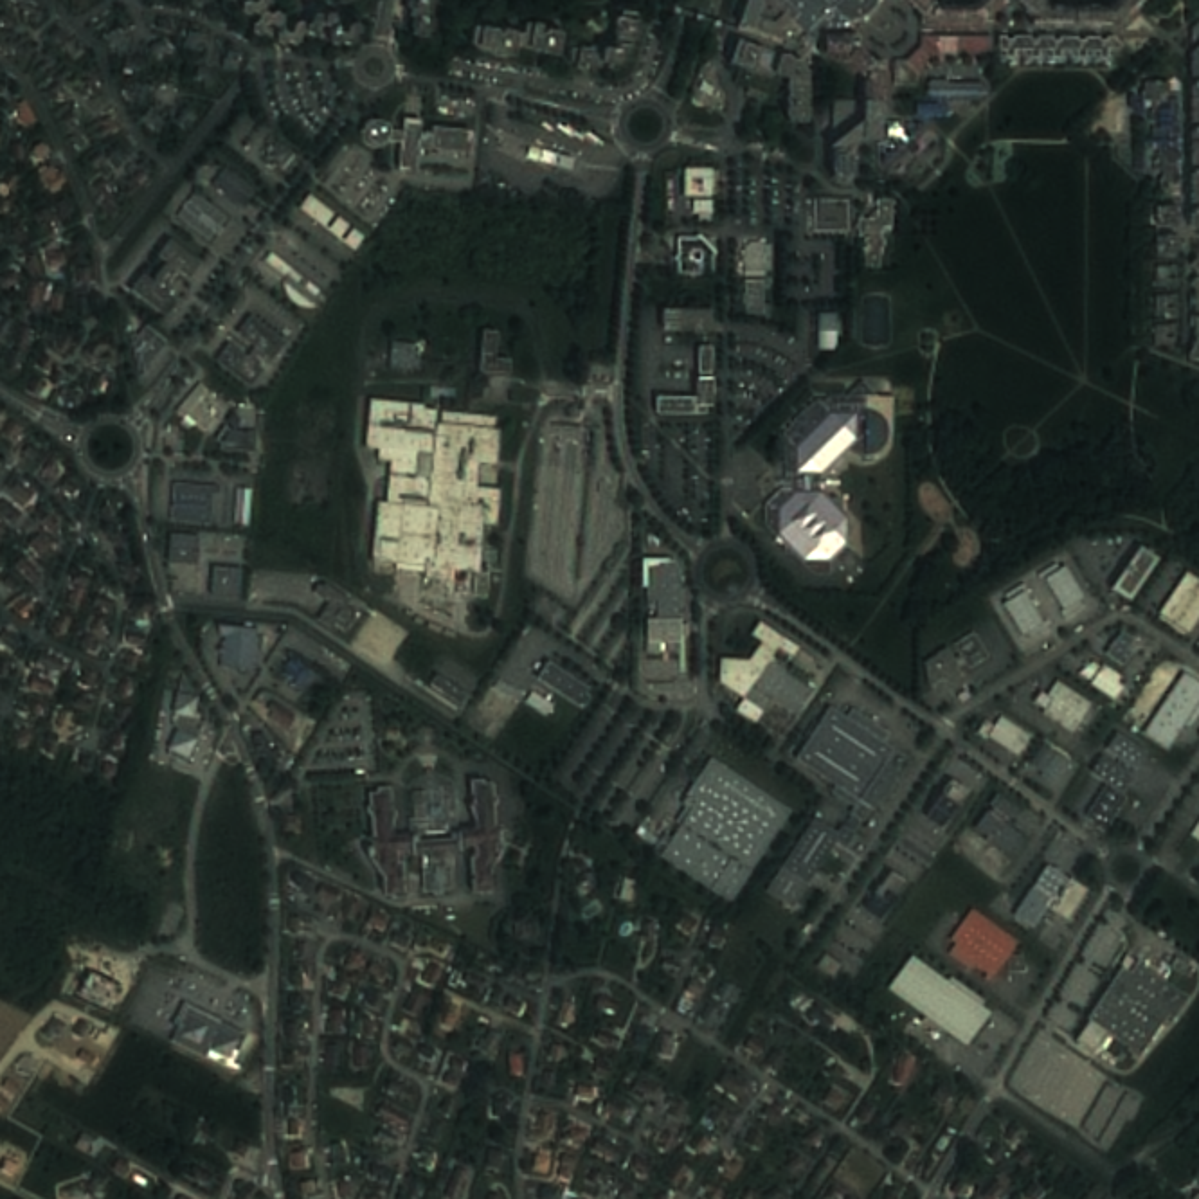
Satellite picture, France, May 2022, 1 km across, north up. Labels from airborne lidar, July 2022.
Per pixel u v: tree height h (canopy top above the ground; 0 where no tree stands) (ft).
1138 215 23
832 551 0
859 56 0
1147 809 0
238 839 0
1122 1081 21
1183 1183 0
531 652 0
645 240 34
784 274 34
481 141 0
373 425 0
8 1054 0
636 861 29
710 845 0
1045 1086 0
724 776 0
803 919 38
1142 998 0
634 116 0
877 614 0
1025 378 0
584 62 0
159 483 0
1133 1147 25
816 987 23
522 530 0
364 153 0
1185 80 0
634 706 30
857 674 0
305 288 0
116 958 0
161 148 20
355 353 0
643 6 45
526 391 0
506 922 22
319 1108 0
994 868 0
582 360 46
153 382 0
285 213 33
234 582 0
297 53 47
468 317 41
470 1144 34
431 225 20
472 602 0
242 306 0
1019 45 0
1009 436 0
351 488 0
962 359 0
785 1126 0
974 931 0
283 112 21
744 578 0
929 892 0
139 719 18
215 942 0
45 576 20
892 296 0
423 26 0
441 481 0
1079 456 49
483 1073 65
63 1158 25
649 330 0
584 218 26
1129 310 23
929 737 32
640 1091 0
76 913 18
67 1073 0
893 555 0
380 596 0
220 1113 0
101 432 0
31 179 23
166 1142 22
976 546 0
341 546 0
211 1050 0
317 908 20
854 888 34
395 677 0
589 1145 21
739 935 0
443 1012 37
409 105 0
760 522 0
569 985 0
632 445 29
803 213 0
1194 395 47
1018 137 0
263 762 25
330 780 31
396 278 42
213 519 0
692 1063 0
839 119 0
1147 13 34
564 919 23
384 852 0
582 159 0
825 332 0
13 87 44
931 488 0
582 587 0
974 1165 49
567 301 56
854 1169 0
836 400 0
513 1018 21
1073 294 0
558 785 19
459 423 0
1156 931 23
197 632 21
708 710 0
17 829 18
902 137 0
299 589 0
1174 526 32
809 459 0
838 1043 46
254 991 0
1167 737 0
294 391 0
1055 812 0
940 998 0
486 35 0
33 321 30
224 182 0
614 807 29
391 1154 0
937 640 0
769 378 25
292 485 0
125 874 0
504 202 44
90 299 31
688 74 28
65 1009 0
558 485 0
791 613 26
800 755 0
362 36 33
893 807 0
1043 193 0
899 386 0
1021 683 0
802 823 32
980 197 0
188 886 0
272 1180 0
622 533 0
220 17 41
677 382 0
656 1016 0
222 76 0
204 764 0
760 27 0
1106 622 0
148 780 0
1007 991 0
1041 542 53
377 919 0
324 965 0
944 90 0
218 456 20
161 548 34
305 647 0
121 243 0
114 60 23
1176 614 0
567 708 0
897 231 31
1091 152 24
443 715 0
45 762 25
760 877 41
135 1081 0
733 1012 19
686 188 0
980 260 0
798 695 0
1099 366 0
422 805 0
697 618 25
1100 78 0
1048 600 0
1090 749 0
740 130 43
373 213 0
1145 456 45
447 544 0
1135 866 0
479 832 0
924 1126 0
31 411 0
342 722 0
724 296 21
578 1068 26
